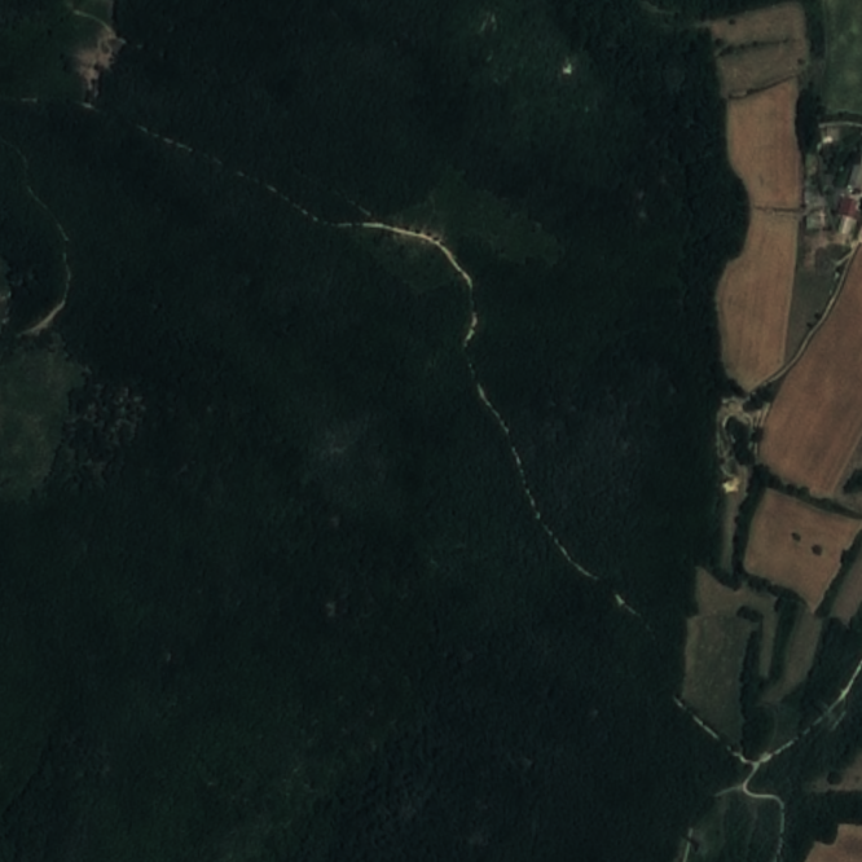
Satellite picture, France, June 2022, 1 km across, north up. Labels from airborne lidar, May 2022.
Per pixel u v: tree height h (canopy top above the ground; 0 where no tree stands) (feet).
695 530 28
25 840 31
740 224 36
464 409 38
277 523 24
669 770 36
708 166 43
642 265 25
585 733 31
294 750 21
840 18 0
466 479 29
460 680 23
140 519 19
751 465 42
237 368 45
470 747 25
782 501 0
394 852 30
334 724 24
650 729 27
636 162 35
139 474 22
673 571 43
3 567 38
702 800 31
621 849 38
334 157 36
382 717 32
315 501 46
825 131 0
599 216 40
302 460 39
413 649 44
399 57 35
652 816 31
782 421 0
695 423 31
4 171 25
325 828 29
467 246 23
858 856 0
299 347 32
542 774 33
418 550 27
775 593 44
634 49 50
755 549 0
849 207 0
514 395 27
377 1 25
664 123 40
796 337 0
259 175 44
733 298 0
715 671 0
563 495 27
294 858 25
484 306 29
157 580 27
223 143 50
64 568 30
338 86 32
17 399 0
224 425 45
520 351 40
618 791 48
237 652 34
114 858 20
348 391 39
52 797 27
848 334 0
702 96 66
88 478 43
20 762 22
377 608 44
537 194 33
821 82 0
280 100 45
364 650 40
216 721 36
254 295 29
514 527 31
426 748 33
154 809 34
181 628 37
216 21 47
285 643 31
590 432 25
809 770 20
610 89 35
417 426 50
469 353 38
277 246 33
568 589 38
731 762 34
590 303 26
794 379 0
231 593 29
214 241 42
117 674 27
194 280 33
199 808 26
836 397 0
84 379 46
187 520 28
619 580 30
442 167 31
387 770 27
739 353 0
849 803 32
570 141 30
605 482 31
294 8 31
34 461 0
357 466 26
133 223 30
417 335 36
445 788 25
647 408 32
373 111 37
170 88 42
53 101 32
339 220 33
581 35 64
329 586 40
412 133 35
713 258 36
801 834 39
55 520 26
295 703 39
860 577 0
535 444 28
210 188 35
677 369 37
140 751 28
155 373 56
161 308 52
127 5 50
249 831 28
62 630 32
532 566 23
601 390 41
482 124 22
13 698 20
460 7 24
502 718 24
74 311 40
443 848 28
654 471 40
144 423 35
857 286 0
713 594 0
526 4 32
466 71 20
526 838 33
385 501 22
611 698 31
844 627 19
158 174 39
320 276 32
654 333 26
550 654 23
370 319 30
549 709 37
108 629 25
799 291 0
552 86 27
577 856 45
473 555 29
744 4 36
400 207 29
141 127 29
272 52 46
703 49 58
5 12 30
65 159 28
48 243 30
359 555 39
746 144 0
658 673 29
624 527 28
